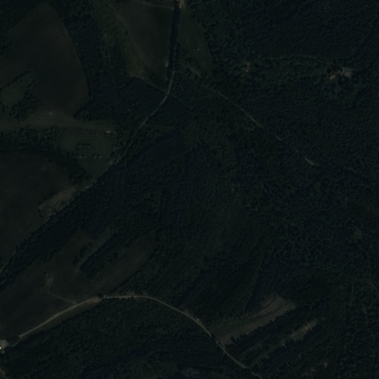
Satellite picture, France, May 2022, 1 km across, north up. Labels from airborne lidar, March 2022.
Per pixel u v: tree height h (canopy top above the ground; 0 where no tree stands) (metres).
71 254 0
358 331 12
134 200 14
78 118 12
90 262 11
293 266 30
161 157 23
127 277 0
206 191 8
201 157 24
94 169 0
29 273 0
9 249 0
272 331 20
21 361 14
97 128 0
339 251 26
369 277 19
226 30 27
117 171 25
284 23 29
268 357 0
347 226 25
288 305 0
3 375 0
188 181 26
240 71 25
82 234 0
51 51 0
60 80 0
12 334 0
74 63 0
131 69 0
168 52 0
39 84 0
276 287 28
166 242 10
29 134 14
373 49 28
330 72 13
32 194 0
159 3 0
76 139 0
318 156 22
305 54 27
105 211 28
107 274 0
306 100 16
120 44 0
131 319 8
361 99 28
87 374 24
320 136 10
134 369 0
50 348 12
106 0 0
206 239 9
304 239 13
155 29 0
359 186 37
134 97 16
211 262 9
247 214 6
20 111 12
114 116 19
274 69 28
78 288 0
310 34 27
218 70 9
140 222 14
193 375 32
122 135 18
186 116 14
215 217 8
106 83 32
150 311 6
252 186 34
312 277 8
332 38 29
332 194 38
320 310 24
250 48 21
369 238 14
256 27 23
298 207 31
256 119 12
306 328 0
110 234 0
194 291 23
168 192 16
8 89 0
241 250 6
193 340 21
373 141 17
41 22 0
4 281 9
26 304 0
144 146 7
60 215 14
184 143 15
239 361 17
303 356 12
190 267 6
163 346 21
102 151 0
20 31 0
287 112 15
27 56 0
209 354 15
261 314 0
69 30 25
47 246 15
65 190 0
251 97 26
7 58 0
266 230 8
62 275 0
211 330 0
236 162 8
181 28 0
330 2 32
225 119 8
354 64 28
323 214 34
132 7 0
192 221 9
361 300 9
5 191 0
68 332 11
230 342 0
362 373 17
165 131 0
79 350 9
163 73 0
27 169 0
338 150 7
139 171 23
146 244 0
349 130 18
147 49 0
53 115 0
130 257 0
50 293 0
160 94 15
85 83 0
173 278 6
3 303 0
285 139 25
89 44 20
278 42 24
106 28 0
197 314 10
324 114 18
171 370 0
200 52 0
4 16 13
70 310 0
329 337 9
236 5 23
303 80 29
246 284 6
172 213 19
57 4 14
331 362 8
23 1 16
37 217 0
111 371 31
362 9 28
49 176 0
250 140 8
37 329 0
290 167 19
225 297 10
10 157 0
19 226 0
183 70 11
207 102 11
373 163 30
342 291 7
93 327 6
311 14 30
